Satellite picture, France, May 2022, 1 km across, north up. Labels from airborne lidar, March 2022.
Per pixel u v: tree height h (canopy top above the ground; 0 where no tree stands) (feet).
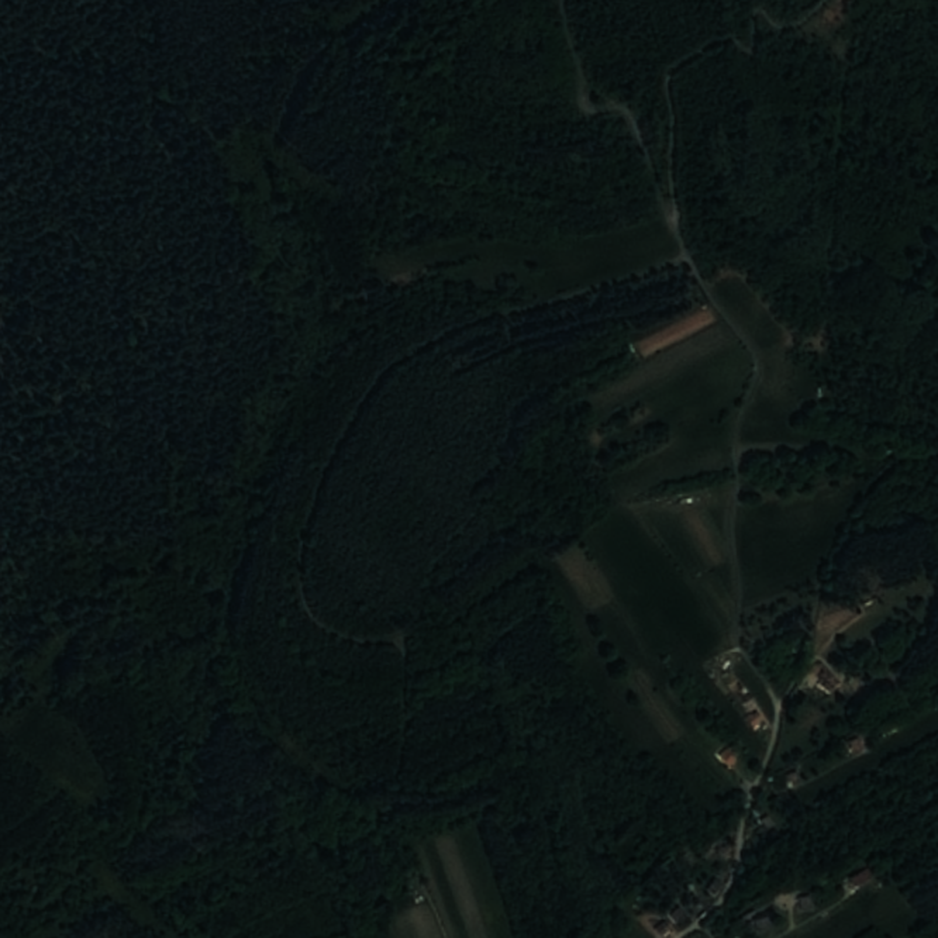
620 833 68
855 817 42
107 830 25
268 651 38
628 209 27
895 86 23
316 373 49
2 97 101
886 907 0
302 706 37
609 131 41
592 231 29
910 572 60
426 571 29
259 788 79
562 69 32
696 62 26
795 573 0
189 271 100
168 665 45
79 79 125
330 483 36
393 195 54
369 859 87
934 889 88
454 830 34
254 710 56
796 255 93
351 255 30
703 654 0
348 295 37
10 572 84
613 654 53
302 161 62
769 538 0
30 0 92
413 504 33
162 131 115
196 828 109
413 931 0
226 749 109
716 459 0
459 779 59
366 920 58
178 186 101
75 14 109
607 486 22
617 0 27
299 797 70
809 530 0
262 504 62
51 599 100
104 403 111
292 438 26
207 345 95
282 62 113
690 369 0
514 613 65
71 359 45
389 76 53
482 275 0
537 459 72
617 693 0
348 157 95
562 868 82
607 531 0
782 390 0
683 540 0
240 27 115
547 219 37
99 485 96
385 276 0
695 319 0
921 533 81
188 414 102
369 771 40
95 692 53
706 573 0
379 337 34
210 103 125
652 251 0
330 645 39
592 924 82
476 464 36
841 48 0
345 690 45
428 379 34
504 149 29
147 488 108
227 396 100
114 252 100
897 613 44
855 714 67
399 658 34
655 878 43
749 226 56
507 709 79
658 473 0
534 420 75
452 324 32
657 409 0
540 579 60
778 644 66
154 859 106
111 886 0
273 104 101
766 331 0
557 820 73
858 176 71
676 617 0
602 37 34
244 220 62
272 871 70
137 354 116
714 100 33
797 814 61
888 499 49
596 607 0
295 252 92
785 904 0
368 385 30
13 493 101
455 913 0
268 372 63
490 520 40
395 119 74
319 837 85
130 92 32
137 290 31
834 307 21
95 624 109
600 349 45
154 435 99
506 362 31
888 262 0
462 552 42
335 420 38
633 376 0
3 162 95
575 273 0
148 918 0
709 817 56
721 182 88
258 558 75
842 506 0
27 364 111
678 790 39
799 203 78
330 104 66
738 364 0
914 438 48
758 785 0
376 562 31
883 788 51
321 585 37
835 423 67
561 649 60
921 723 0
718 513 0
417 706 57
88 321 120
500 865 55
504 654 52
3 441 91
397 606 33
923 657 69
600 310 44
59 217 106
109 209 105
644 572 0
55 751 0
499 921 0
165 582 21
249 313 114
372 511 36
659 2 28
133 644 100
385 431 40
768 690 0
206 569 47
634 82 26
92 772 0
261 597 39
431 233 78
